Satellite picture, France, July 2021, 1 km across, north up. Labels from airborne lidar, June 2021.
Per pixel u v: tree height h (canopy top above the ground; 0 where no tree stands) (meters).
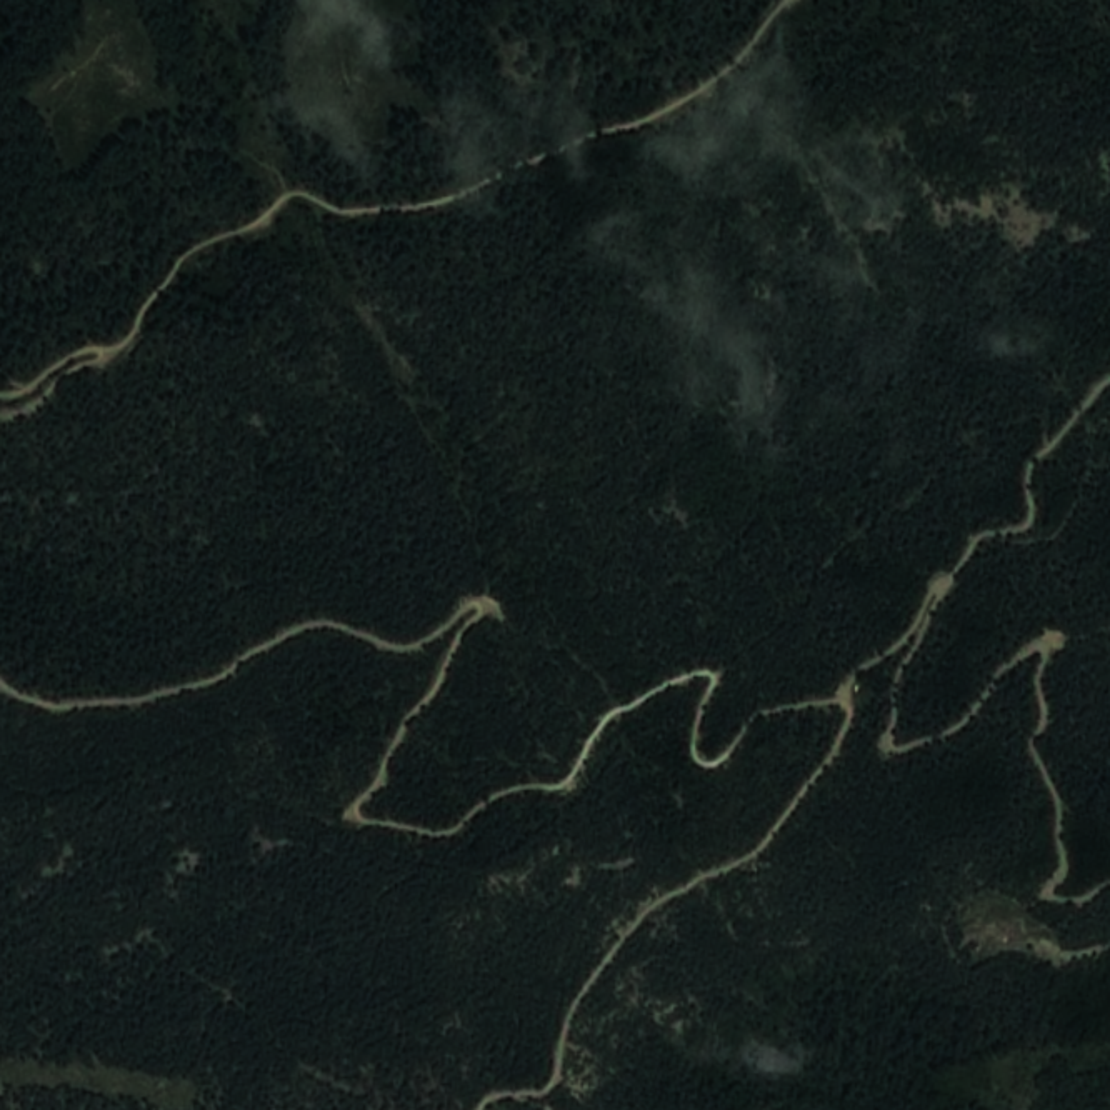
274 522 6
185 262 0
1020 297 13
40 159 28
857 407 8
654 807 7
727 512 6
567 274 8
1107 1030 5
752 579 9
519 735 6
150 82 0
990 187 6
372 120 0
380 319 7
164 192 8
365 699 6
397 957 10
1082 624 6
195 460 7
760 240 10
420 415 7
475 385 6
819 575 11
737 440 8
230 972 8
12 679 8
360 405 8
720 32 12
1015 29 9
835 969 6
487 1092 7
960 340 13
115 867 8
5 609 7
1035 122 8
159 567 11
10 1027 6
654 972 6
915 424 8
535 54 17
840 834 8
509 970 9
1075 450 10
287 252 10
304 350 8
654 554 8
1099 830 6
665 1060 6
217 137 26
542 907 7
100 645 6
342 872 9
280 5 26
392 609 10
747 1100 13
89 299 20
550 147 12
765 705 8
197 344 6
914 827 10
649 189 8
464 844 7
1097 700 9
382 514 7
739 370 9
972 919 0
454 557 8
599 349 9
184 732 7
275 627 11
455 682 6
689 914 7
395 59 24
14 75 24
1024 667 12
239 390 10
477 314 7
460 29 24
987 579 6
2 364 7
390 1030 7
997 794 11
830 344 10
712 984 6
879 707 11
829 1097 8
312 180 6
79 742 7
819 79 12
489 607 0
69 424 7
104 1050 8
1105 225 8
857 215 9
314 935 10
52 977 9
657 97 11
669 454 8
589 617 7
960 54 11
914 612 6
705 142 8
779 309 7
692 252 7
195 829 9
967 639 8
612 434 6
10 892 11
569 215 16
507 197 16
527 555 6
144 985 8
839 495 7
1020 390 7
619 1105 6
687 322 6
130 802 9
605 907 8
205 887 9
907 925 6
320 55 0
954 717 11
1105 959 8
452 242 13
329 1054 7
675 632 6
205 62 14
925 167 6
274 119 9
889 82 10
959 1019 17
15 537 7
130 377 11
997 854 8
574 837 6
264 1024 9
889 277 6
